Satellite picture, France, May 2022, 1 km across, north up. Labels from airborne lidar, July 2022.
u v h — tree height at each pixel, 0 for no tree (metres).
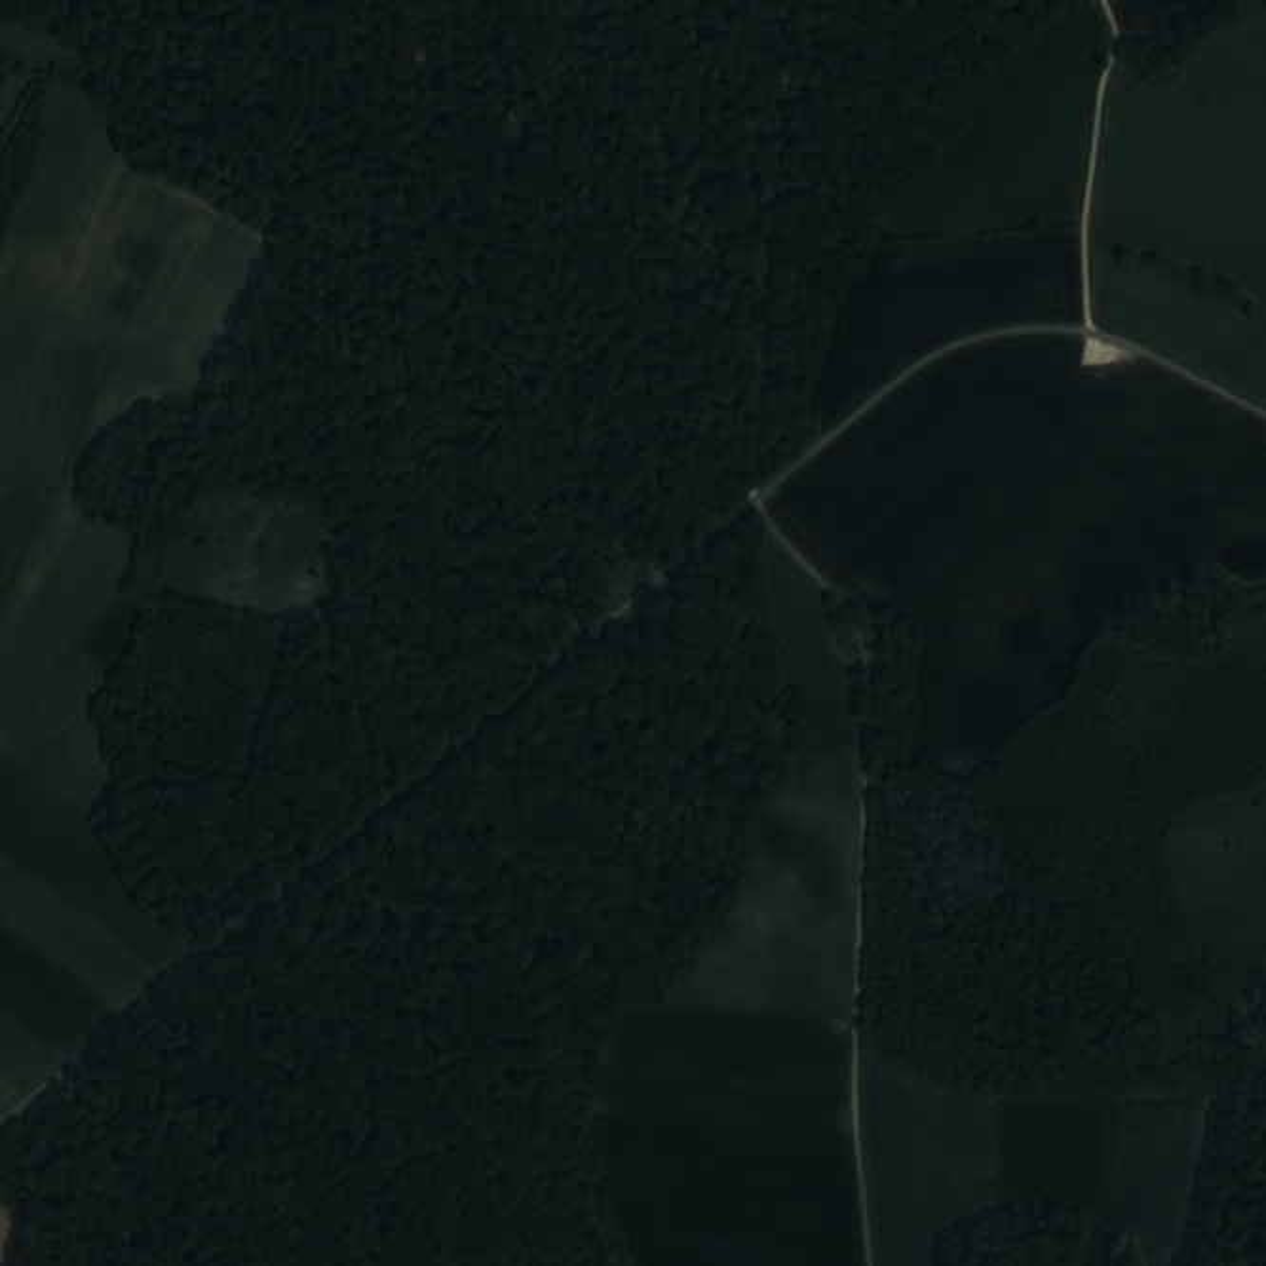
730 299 26
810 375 29
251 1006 26
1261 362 0
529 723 23
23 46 0
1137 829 9
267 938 29
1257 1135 29
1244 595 7
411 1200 29
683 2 28
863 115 30
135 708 16
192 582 0
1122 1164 0
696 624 30
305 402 21
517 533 29
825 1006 0
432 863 29
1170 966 12
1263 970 0
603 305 30
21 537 0
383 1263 27
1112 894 13
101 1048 25
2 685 0
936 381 0
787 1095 0
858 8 28
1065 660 0
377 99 29
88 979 0
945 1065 17
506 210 27
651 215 28
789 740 24
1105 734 7
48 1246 28
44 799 0
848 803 0
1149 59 13
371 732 20
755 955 0
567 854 28
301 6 26
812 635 0
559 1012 30
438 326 27
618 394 29
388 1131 28
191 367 0
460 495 29
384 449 28
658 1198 0
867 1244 0
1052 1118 0
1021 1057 24
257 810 30
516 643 26
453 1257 30
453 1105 29
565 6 33
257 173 28
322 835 25
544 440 29
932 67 29
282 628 9
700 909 28
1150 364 0
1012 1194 0
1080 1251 21
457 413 28
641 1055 0
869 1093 0
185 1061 30
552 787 27
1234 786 8
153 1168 29
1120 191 0
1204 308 0
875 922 13
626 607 0
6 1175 9
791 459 22
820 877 0
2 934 0
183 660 18
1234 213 0
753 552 25
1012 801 9
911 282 0
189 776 22
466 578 28
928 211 0
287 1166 25
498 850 29
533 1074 29
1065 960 20
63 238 0
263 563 0
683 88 28
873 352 0
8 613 0
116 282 0
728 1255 0
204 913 30
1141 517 0
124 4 27
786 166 28
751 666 28
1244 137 0
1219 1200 28
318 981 31
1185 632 19
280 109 29
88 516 8
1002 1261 35
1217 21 20
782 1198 0
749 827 22
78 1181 29
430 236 30
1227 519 0
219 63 30
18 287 0
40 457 0
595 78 29
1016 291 0
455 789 23
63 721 0
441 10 25
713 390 34
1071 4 12
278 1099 28
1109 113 0
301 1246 27
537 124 31
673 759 29
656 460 30
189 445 21
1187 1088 25
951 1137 0
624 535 28
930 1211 0
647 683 29
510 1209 31
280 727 31
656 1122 0
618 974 33
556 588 28
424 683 27
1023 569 0
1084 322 0
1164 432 0
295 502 27
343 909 24
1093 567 0
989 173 0
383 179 30
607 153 25
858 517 0
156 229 0
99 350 0
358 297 29
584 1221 23
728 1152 0
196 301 0
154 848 27
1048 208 0
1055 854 12
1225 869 0
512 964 30
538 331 28
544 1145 24
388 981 28
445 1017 28
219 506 0
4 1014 0
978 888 25
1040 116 0
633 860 31
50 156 0
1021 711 0
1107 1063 23
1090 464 0
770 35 29
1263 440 0
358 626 28
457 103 27
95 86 18
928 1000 18
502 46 25
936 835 28
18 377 0
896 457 0
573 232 30
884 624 16
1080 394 0
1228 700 7
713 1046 0
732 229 28
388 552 27
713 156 27
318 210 31
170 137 27
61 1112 29
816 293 27
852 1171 0
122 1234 22
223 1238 27
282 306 27
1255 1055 27
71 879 0
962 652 0
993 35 26
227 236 0
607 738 25
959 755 0
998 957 20
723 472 22
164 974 0
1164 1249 0
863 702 18
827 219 32
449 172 29
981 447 0
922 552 0
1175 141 0
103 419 0
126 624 0
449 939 28
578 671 26
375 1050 30
